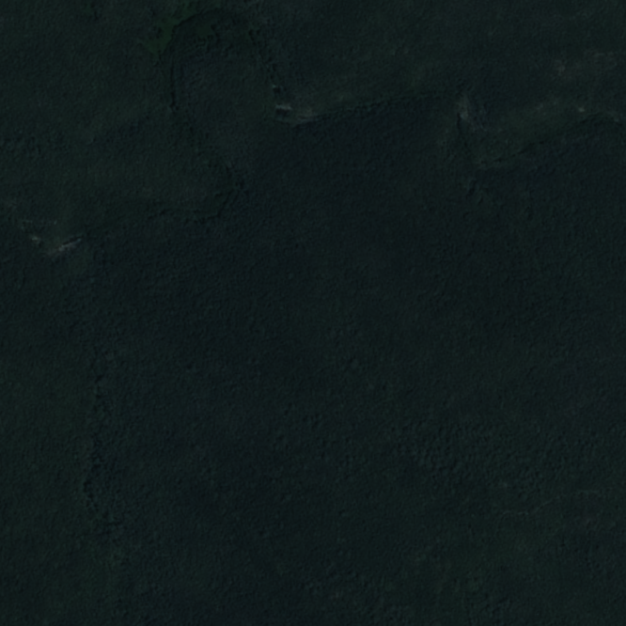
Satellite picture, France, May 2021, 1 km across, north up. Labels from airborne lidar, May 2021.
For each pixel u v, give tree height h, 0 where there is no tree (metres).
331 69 7
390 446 11
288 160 14
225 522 9
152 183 7
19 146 20
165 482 9
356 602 9
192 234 11
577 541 12
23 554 12
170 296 11
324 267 14
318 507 10
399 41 10
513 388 10
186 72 15
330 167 12
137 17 16
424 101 11
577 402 8
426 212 17
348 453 8
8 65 10
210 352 12
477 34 7
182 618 9
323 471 9
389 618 8
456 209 17
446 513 9
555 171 12
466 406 14
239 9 13
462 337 10
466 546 8
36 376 8
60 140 11
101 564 10
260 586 9
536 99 7
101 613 9
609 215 10
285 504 10
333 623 7
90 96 8
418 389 9
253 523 10
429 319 13
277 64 16
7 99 8
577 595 7
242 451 10
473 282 12
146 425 12
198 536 11
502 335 12
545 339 10
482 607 8
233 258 11
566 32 7
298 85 7
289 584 12
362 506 8
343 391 10
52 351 11
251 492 12
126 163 7
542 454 15
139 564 9
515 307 16
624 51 7
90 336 14
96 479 18
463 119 7
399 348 12
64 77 8
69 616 12
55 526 14
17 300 12
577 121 10
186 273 13
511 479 9
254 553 11
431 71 10
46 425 11
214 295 12
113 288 14
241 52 12
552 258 13
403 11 10
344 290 11
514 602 13
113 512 14
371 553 7
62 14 10
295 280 11
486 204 20
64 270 8
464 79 14
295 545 7
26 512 9
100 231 16
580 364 8
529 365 13
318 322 13
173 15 8
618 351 10
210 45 11
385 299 8
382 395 10
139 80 13
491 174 9
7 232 13
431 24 7
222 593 10
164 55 14
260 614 12
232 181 14
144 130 11
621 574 12
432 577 9
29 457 14
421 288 13
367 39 9
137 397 11
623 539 12
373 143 10
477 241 17
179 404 7
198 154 10
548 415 12
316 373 11
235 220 15
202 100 14
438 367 10
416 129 12
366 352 11
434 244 9
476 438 11
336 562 6
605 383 7
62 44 10
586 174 9
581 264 10
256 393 10
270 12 9
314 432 8
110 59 17
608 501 8
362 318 10
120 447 11
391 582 8
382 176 10
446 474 17
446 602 8
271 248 12
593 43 7
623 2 11
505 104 7
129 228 13
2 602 13
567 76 7
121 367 11
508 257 17
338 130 15
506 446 11
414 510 6
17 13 9
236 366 14
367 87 7
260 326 11
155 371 9
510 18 7
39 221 8
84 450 19
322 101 9
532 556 7
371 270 7
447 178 20
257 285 11
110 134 13
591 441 12
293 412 9
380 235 11
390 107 14
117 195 13
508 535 8
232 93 11
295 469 13
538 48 6
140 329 13
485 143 9
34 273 18
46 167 9
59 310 17
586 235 10
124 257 11
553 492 8
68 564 13
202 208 20
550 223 14
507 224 15
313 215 9
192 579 10
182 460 14
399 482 6
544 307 13
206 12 14
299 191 9
